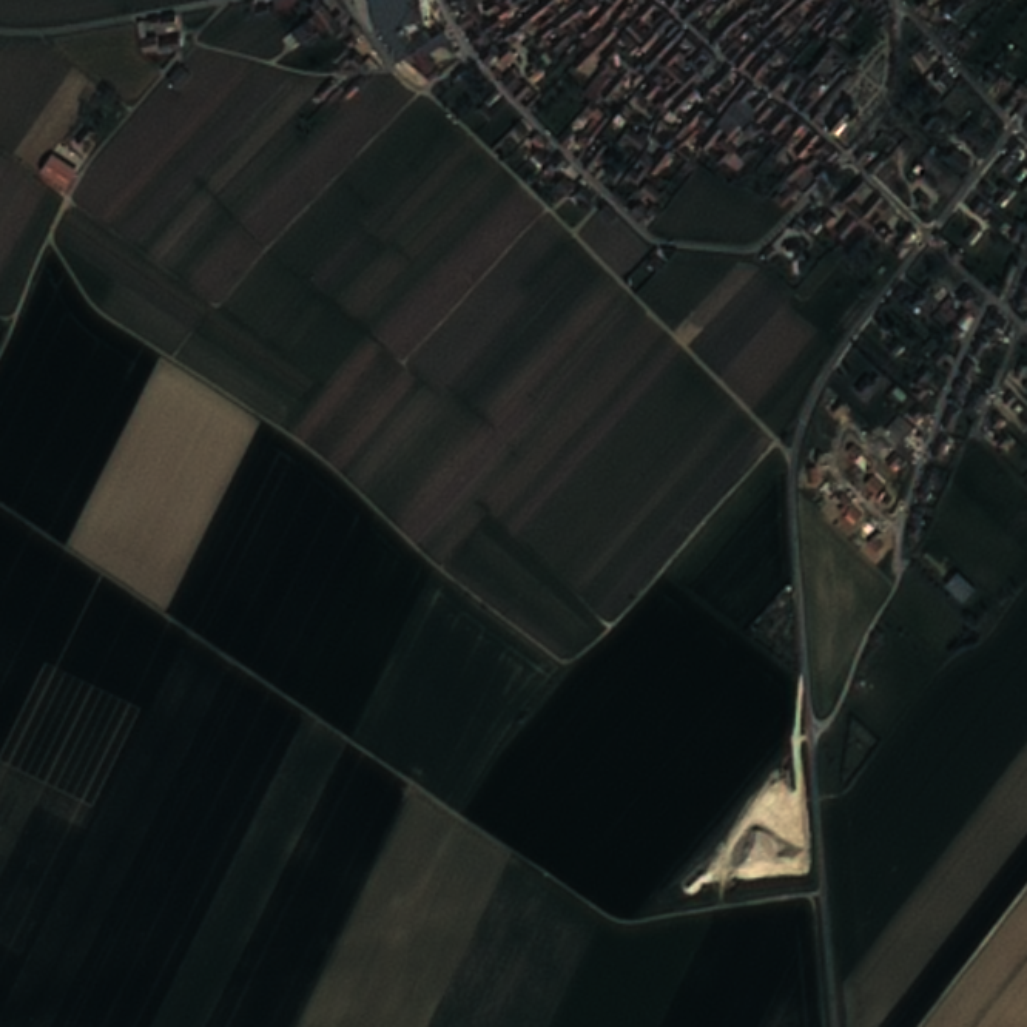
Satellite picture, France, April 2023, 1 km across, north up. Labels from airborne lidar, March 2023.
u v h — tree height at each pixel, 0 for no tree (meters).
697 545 0
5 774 0
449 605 0
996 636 0
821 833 0
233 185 0
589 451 0
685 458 0
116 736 0
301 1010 0
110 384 0
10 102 0
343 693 0
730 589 0
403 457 0
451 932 0
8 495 0
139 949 0
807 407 0
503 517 0
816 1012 0
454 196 0
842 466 0
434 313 0
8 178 0
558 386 0
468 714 0
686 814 0
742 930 0
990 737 0
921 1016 0
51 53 0
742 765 0
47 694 0
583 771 0
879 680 0
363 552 0
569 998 0
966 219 0
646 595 0
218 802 0
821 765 0
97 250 0
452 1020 0
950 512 0
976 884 0
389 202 0
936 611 0
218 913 0
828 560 0
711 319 0
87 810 0
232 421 0
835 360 0
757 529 0
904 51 15
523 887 0
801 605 0
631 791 0
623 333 0
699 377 0
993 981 0
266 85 0
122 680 0
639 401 0
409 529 0
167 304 0
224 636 0
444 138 0
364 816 0
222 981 0
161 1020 0
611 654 0
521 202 0
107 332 0
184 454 0
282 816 0
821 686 0
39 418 0
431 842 0
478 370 0
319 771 0
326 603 0
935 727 0
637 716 0
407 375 0
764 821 0
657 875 0
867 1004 0
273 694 0
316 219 0
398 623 0
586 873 0
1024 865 0
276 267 0
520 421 0
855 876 0
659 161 0
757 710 0
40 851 0
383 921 0
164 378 0
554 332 0
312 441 0
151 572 0
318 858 0
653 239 0
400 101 0
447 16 0
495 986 0
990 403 0
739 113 0
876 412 0
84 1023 0
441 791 0
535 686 0
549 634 0
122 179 0
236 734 0
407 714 0
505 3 0
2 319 0
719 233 0
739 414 0
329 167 0
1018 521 0
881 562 0
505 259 0
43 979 0
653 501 0
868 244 16
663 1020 0
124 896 0
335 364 0
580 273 0
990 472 0
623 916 0
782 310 0
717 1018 0
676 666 0
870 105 0
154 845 0
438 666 0
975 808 0
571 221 0
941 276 17
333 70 6
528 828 0
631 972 0
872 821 0
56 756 0
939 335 9
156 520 0
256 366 0
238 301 0
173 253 0
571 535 0
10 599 0
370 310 0
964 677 0
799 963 0
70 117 0
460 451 0
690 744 0
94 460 0
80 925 0
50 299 0
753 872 0
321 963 0
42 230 0
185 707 0
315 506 0
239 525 0
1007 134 0
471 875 0
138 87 0
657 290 0
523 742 0
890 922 0
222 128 0
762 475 0
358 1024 0
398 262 0
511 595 0
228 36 0
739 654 0
